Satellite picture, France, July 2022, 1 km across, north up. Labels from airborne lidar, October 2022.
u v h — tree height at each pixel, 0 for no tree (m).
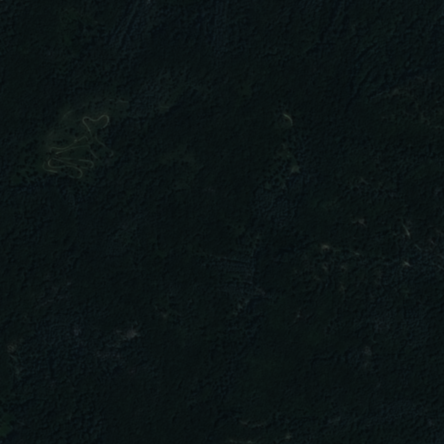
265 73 24
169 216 19
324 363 29
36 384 16
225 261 24
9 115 24
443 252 27
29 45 29
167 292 22
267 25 35
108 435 28
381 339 15
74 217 28
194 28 28
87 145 0
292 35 40
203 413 24
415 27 29
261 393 16
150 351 27
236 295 20
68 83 17
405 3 30
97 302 22
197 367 33
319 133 16
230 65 30
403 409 25
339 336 16
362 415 16
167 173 16
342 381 20
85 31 31
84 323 20
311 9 28
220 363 16
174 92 12
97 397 24
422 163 20
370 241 19
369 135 28
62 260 24
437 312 16
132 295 21
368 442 11
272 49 30
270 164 8
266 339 20
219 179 20
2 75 20
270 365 13
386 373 20
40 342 28
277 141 8
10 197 23
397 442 18
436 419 14
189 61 28
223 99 16
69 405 25
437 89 18
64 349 26
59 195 29
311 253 6
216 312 21
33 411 21
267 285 21
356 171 12
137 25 35
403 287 18
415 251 24
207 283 15
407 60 24
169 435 29
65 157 0
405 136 20
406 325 23
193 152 11
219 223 20
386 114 15
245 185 21
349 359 24
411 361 15
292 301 15
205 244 21
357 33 13
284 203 31
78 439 21
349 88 13
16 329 21
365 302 17
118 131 20
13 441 30
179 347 22
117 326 18
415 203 18
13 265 26
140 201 14
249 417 17
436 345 19
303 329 20
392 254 18
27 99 19
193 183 11
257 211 28
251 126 20
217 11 29
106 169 7
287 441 10
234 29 31
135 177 8
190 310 16
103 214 25
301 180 29
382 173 17
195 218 18
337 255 8
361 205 15
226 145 17
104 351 25
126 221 19
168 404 31
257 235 16
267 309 27
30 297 17
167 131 24
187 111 21
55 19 37
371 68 28
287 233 13
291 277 14
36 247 19
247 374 25
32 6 21
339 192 14
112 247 17
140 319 14
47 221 8
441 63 27
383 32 29
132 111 16
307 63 37
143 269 14
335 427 7
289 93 17
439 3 32
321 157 11
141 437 28
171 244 14
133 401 25
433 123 11
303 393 19
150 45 34
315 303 17
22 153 8
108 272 20
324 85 29
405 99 14
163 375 24
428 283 18
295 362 20
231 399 26
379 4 16
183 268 19
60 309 21
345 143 24
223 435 27
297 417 8
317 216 15
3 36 22
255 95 14
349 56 24
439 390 20
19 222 25
